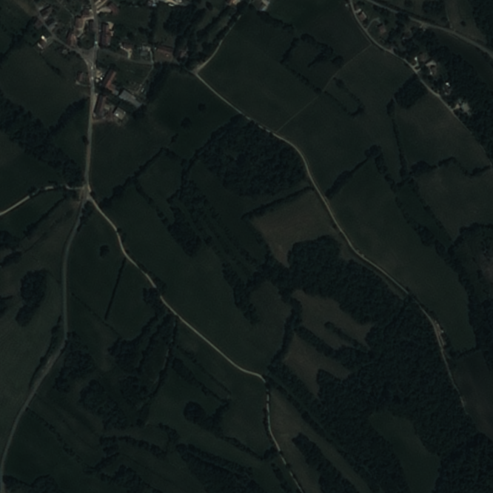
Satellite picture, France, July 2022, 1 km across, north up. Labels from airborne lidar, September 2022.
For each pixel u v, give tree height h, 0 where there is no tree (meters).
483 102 18
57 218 0
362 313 14
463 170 11
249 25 0
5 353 0
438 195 0
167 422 0
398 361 17
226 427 0
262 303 0
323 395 14
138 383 8
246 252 9
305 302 0
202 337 0
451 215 0
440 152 0
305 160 0
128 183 11
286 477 0
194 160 7
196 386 8
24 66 0
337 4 0
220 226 6
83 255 0
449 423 14
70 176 8
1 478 0
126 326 0
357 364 13
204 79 0
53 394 0
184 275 0
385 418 0
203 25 0
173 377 0
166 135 0
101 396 17
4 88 0
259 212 13
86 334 0
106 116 0
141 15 0
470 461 19
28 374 0
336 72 0
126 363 18
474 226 14
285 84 0
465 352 15
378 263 0
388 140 0
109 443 10
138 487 18
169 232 11
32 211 0
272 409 0
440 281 0
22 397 0
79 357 8
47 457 0
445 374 10
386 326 16
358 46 0
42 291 15
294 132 0
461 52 0
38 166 0
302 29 0
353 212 0
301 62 0
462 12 0
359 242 0
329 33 0
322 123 0
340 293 19
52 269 0
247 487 9
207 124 0
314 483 0
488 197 0
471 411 0
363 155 0
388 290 19
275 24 10
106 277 0
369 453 16
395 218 0
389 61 0
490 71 0
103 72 0
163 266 0
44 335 0
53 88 0
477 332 18
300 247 9
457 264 21
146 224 0
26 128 13
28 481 0
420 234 16
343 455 15
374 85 0
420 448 0
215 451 0
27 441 0
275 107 0
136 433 0
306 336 17
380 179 0
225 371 0
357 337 0
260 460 8
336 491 19
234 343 0
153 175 0
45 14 0
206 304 0
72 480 0
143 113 13
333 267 19
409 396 18
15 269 0
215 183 0
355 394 17
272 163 16
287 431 0
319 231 0
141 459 0
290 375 18
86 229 0
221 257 8
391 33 6
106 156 0
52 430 11
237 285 15
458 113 12
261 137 20
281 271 19
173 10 8
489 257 17
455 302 0
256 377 0
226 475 20
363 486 0
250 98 0
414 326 22
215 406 0
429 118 0
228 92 0
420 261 0
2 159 0
